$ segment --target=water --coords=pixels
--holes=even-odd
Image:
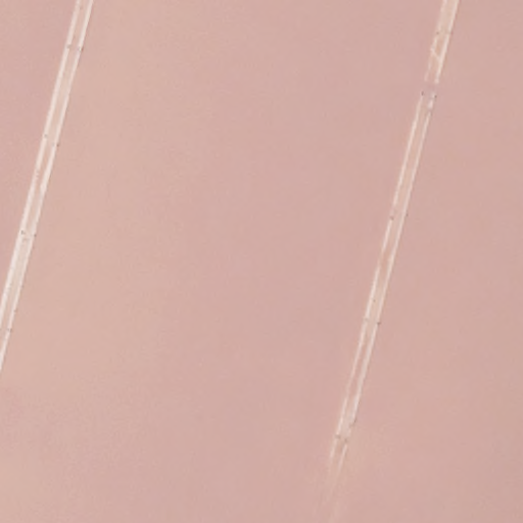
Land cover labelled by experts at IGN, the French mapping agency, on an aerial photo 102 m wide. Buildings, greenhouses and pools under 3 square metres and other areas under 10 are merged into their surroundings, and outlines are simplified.
[[[76,0],[0,0],[0,296],[10,266],[33,176],[33,165],[41,143],[41,133]]]
[[[523,0],[94,0],[0,372],[0,523],[523,523]]]

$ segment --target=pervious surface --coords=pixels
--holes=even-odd
[[[10,266],[0,296],[0,372],[94,0],[76,0],[41,133],[41,143],[33,165],[33,176]]]

